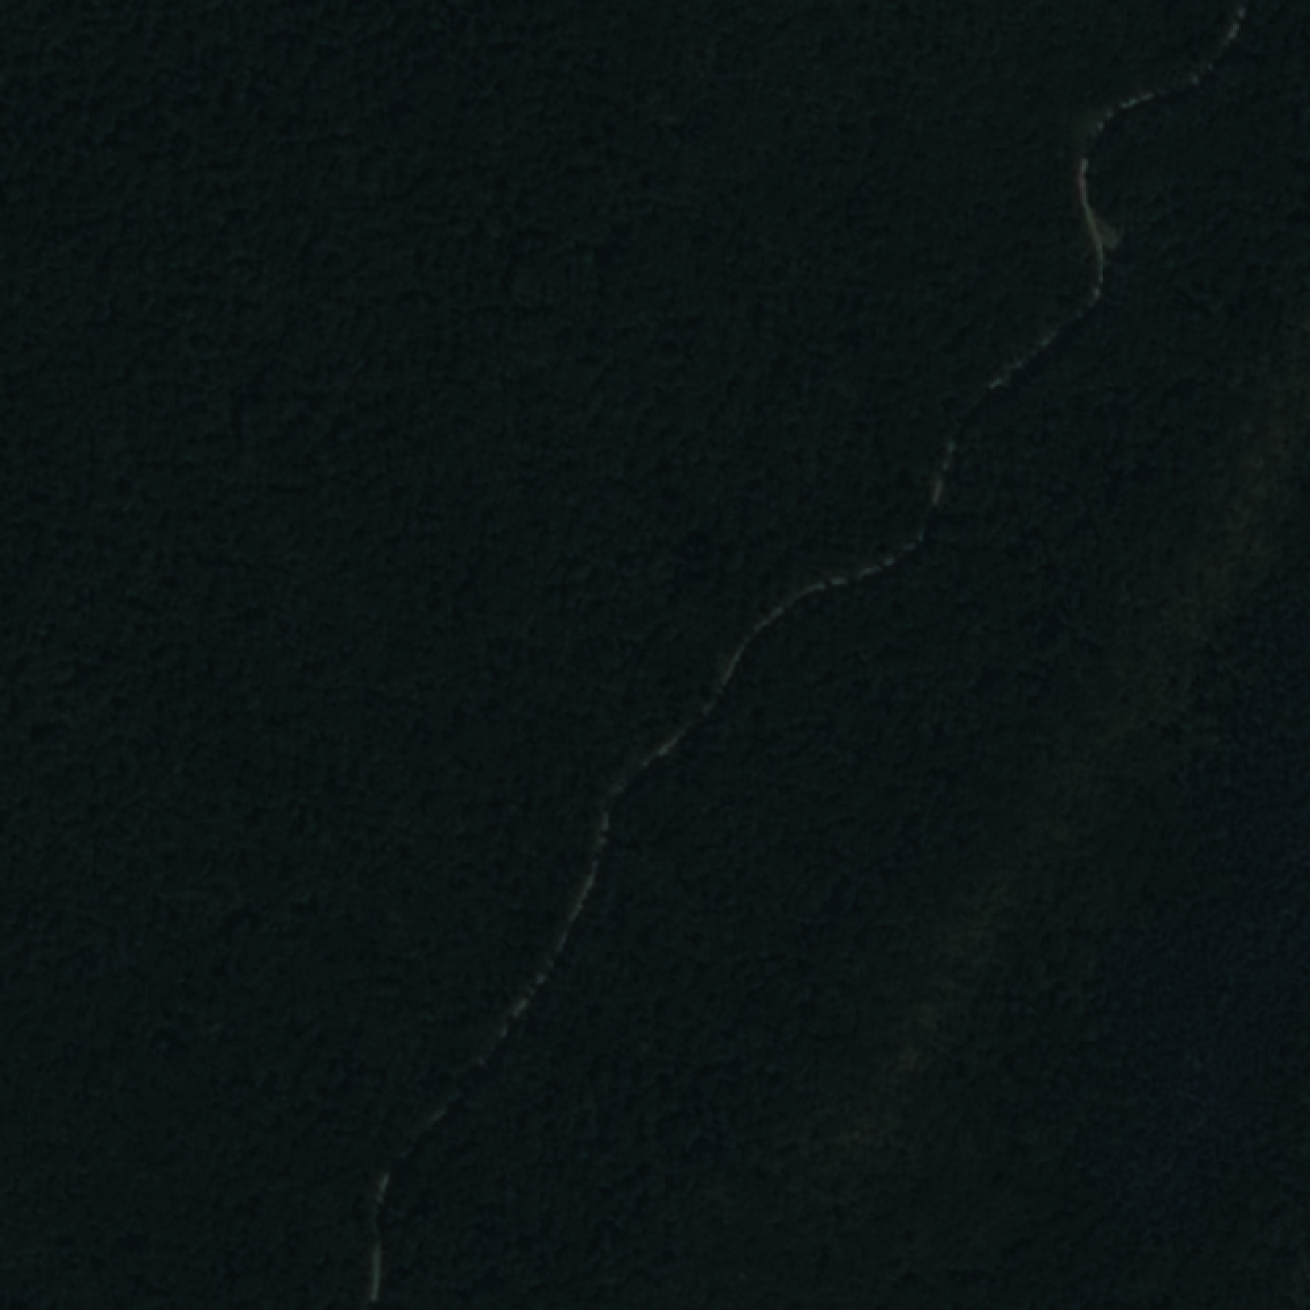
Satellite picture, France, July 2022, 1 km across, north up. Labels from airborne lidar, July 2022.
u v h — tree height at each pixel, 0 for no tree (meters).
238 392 13
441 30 25
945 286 21
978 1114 21
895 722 23
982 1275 23
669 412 19
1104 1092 19
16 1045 19
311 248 22
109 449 15
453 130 12
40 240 11
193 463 19
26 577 18
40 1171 17
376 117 22
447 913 21
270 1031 21
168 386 19
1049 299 16
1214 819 25
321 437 16
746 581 17
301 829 19
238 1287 23
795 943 24
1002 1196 22
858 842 22
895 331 20
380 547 22
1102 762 18
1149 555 20
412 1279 18
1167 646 16
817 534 21
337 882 16
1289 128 20
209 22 23
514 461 15
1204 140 17
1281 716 25
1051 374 22
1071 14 19
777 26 20
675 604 22
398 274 20
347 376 23
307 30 24
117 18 20
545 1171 21
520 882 20
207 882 21
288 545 17
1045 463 24
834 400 14
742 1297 24
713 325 17
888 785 17
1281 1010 28
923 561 18
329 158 12
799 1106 22
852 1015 21
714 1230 17
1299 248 19
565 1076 20
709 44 20
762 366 22
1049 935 26
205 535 18
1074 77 18
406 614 21
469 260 18
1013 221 21
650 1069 21
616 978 20
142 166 19
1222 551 13
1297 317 16
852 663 20
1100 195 14
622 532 23
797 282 15
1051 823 19
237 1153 16
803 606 17
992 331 18
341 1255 14
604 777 16
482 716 27
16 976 22
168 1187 22
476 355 18
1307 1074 21
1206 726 22
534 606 15
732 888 21
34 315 18
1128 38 20
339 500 18
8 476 18
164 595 13
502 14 14
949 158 19
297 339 21
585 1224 23
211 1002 21
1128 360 22
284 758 19
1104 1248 21
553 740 18
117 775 20
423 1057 25
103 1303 20
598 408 19
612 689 21
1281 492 22
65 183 21
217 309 15
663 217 25
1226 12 24
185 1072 18
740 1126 24
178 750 19
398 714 17
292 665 18
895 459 20
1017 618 17
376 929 20
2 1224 20
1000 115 19
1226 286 19
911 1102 22
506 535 19
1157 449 23
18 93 21
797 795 20
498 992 16
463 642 24
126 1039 22
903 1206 24
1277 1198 11
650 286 22
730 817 19
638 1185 24
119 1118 18
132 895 23
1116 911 18
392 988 18
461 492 19
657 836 19
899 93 19
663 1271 21
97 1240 20
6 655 20
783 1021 25
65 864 19
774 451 23
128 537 19
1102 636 22
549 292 20
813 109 18
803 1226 20
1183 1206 27
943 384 18
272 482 17
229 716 22
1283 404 19
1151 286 22
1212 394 23
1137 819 27
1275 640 20
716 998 22
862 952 23
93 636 17
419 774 22
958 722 20
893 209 21
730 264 17
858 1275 20
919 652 20
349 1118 20
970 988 23
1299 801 25
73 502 18
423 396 19
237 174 15
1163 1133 27
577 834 20
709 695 22
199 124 24
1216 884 24
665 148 17
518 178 14
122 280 22
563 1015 15
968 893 18
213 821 25
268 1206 19
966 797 22
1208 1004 23
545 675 20
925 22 21
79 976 23
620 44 20
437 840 17
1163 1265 24
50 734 17
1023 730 18
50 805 20
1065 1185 20
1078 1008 19
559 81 20
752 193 19
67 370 16
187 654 22
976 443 15
